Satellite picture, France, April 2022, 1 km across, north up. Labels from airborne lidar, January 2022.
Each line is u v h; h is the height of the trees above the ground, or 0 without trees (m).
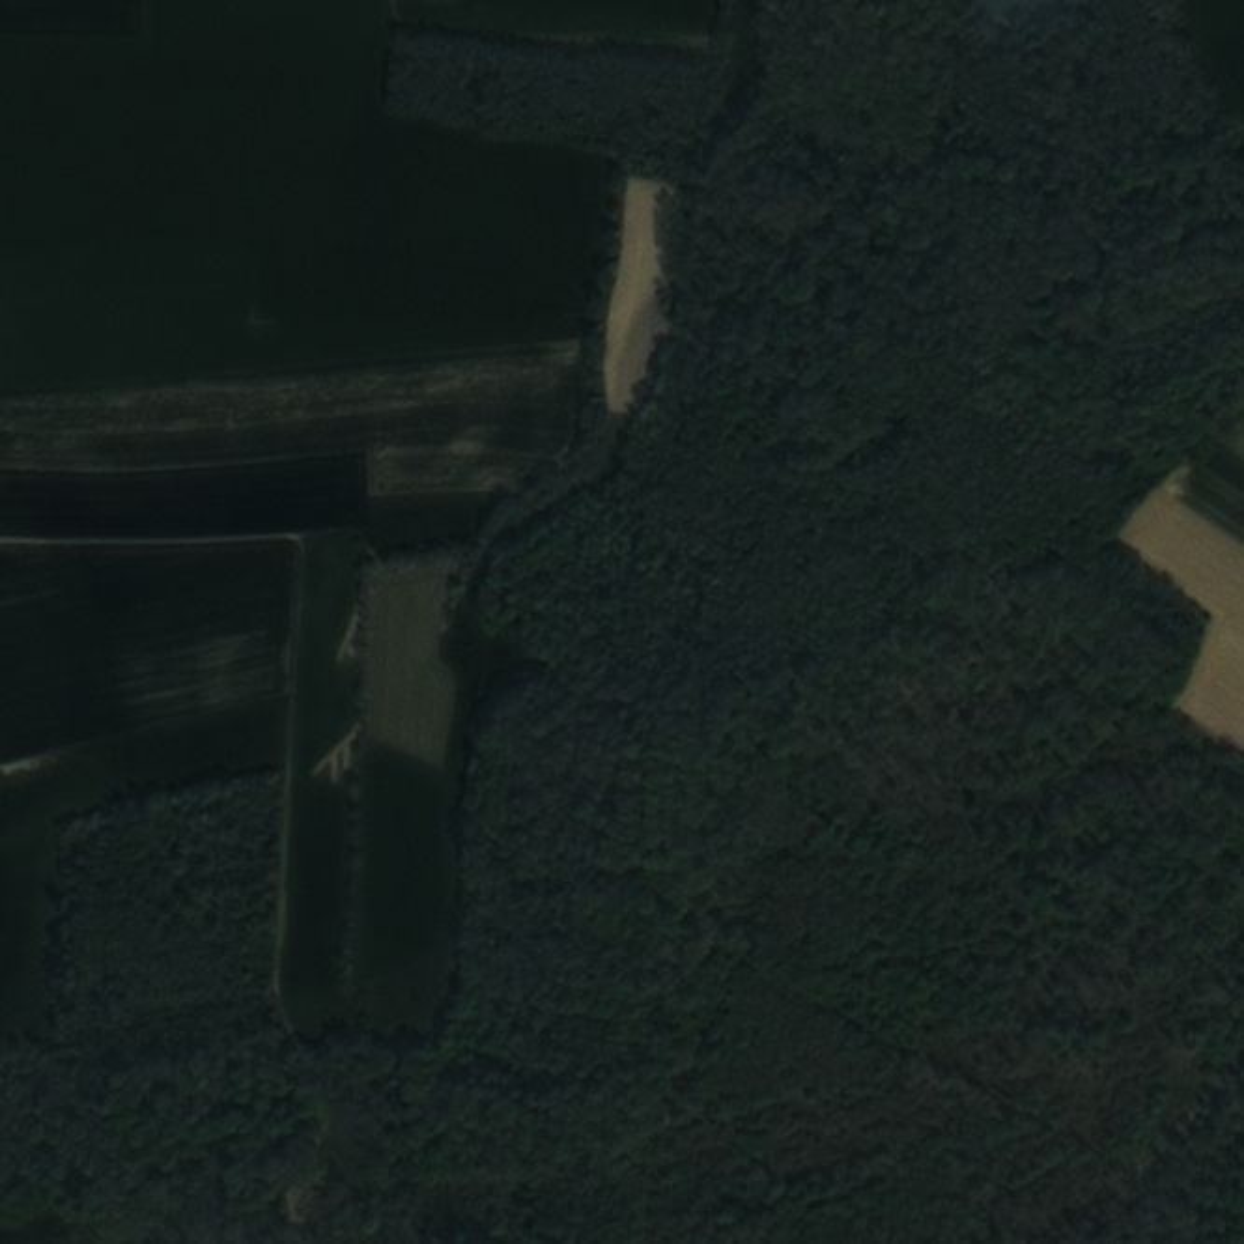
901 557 21
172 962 19
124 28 0
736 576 21
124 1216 34
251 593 0
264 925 16
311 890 0
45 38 0
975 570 28
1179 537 0
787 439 30
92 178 0
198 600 0
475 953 28
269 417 0
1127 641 35
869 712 37
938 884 9
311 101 0
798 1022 10
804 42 30
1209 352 36
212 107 0
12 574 0
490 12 0
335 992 0
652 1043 16
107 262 0
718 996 10
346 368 0
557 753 33
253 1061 26
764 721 36
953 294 31
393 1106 24
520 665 0
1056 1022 34
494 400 0
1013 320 32
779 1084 9
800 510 17
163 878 13
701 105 23
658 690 36
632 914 29
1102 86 17
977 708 12
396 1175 28
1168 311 35
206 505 0
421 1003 0
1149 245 35
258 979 10
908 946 10
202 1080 30
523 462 0
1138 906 29
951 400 20
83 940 17
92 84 0
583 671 30
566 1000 24
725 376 26
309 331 0
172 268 0
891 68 34
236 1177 30
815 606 21
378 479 0
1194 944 33
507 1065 8
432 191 0
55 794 0
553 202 0
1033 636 36
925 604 9
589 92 26
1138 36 22
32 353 0
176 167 0
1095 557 28
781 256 29
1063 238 32
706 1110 9
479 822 31
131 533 0
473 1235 6
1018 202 32
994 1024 18
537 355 0
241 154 0
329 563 0
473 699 0
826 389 32
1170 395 36
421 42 21
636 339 0
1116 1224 30
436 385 0
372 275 0
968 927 8
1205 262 38
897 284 37
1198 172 29
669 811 36
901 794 33
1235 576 0
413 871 0
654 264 0
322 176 0
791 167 33
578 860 35
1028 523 17
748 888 30
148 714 0
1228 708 0
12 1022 0
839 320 28
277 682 0
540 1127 30
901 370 35
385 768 0
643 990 25
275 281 0
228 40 0
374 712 0
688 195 13
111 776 0
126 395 0
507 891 30
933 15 34
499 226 0
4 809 0
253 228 0
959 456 18
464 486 0
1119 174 28
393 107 16
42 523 0
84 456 0
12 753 0
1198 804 28
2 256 0
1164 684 29
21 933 0
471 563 18
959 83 27
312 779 0
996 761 10
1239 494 0
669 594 25
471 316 0
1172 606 21
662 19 0
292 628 0
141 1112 30
